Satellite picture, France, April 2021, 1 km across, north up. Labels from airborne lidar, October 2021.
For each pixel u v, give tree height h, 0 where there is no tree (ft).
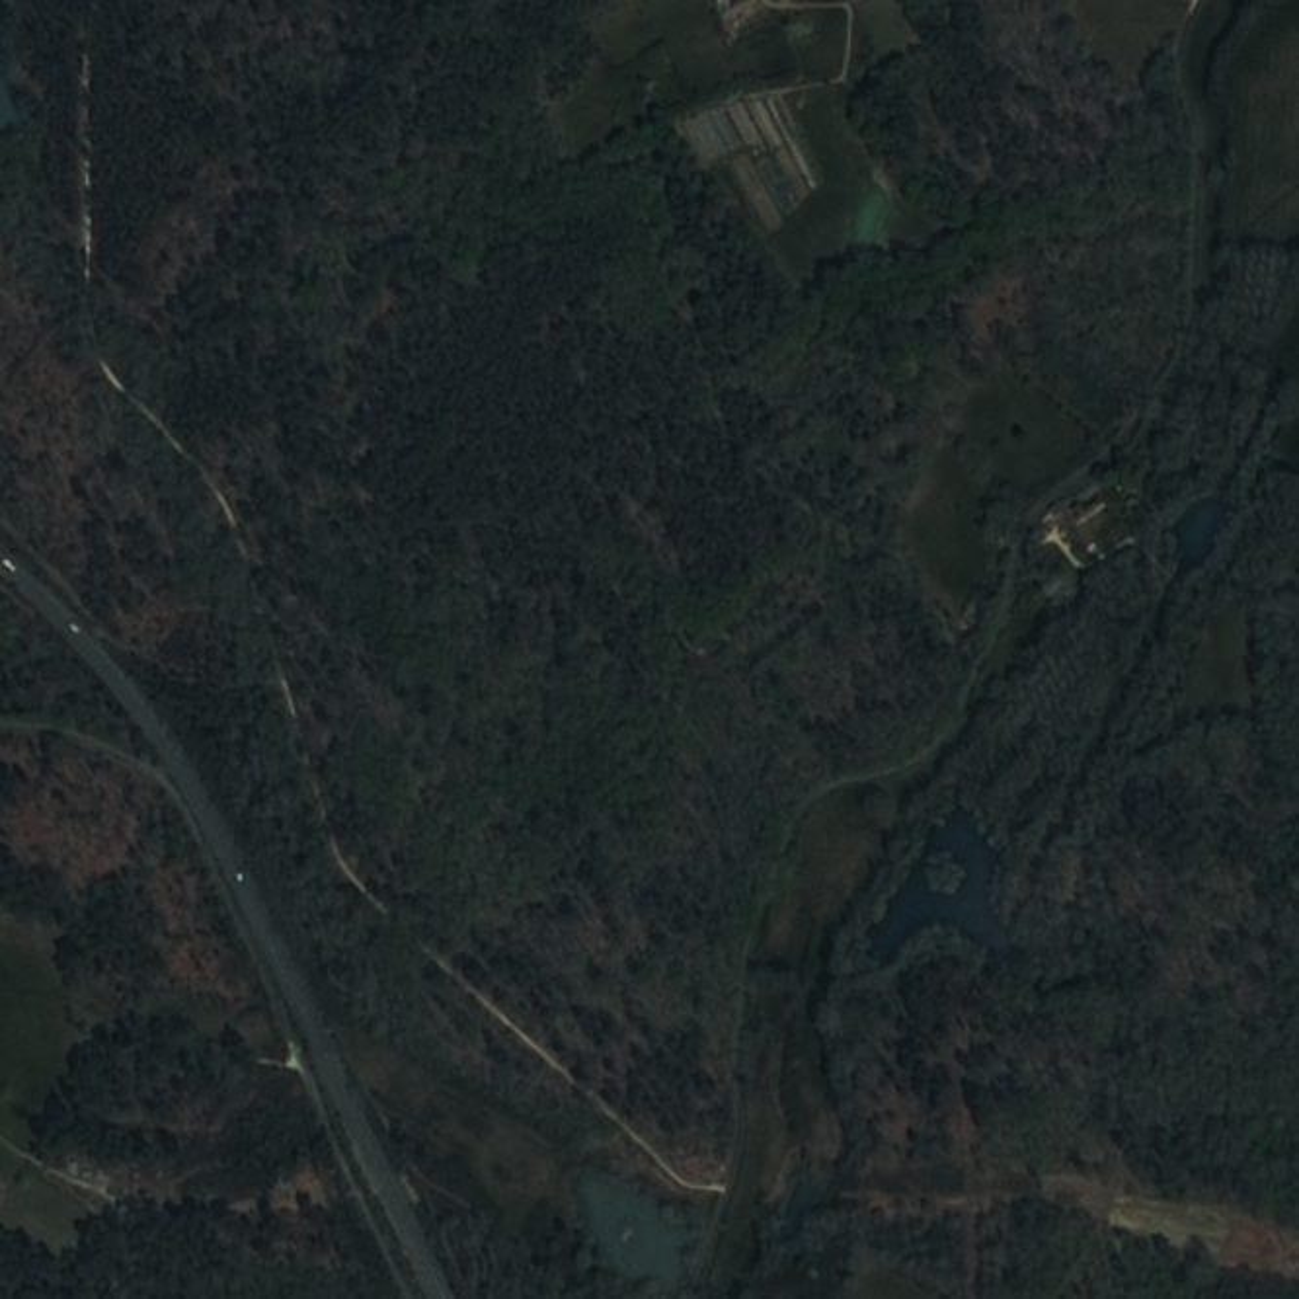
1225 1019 70
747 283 61
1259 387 71
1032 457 0
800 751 55
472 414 71
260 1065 101
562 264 66
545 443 68
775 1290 0
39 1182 0
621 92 0
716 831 57
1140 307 37
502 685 52
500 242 50
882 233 0
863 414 54
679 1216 34
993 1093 28
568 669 80
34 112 80
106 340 90
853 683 52
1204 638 35
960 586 0
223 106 54
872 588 76
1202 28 0
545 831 91
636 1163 49
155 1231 77
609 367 60
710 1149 47
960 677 59
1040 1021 55
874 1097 46
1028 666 64
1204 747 69
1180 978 62
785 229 0
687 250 55
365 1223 38
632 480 69
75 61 63
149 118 71
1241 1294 23
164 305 23
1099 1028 94
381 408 67
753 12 0
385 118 80
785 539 83
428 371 77
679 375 59
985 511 35
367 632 65
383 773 59
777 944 0
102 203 59
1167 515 65
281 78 66
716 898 71
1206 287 0
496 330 66
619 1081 81
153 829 40
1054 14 68
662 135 44
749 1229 0
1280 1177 91
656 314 61
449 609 64
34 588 0
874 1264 37
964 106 60
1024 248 44
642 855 56
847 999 76
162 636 20
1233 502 54
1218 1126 75
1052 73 51
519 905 57
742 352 39
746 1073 66
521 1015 63
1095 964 45
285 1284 81
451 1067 42
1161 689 55
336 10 70
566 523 70
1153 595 72
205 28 40
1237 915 66
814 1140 0
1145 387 27
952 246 65
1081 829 65
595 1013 48
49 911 98
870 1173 47
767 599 54
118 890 56
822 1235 33
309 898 90
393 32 77
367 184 47
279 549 46
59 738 37
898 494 44
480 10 63
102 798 34
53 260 45
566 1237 61
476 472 68
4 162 55
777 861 61
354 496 81
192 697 31
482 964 58
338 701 69
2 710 67
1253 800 61
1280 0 55
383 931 73
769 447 50
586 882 60
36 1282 75
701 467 66
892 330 63
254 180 23
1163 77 68
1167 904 63
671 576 69
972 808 54
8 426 25
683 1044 60
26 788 67
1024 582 32
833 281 76
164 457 79
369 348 34
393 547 59
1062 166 80
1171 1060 93
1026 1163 49
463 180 52
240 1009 31
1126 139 87
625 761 71
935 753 57
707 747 35
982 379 50
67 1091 0
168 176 62
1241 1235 0
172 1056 92
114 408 73
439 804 83
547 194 55
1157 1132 55
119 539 37
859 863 0
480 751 57
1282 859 67
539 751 65
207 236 25
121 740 55
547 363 65
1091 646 112
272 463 62
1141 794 74
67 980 79
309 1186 0
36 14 73
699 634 74
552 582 50
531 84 49
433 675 70
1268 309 93
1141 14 0
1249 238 31
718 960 72
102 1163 85
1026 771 90
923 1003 90
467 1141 0
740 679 37
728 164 0
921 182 57
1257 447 37
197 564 79
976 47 60
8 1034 0
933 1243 26
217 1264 97
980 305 26
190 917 40
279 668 59
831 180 0
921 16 51
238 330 100
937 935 70
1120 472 59
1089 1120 52
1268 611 73
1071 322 31
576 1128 56
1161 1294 65
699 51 0
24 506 45
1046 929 44
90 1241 70
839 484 50
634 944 49
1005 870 40
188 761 28
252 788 28
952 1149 39
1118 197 73
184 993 34
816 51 0
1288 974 58
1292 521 91
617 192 58
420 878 73
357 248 68
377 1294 19
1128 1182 60
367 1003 81
